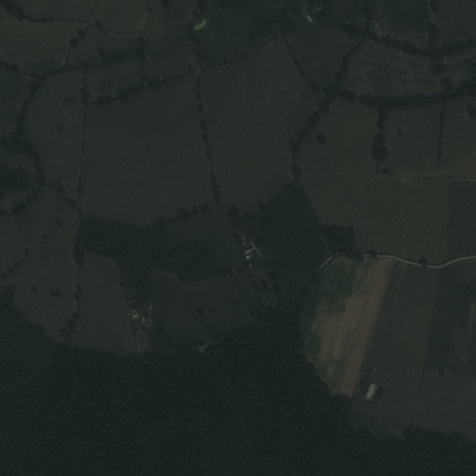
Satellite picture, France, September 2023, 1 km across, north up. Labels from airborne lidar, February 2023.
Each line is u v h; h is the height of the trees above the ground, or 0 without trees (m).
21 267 0
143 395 21
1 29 0
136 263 19
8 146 9
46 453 21
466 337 0
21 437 19
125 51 0
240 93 0
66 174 0
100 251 21
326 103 14
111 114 0
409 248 0
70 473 20
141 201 0
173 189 0
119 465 23
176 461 22
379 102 16
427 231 0
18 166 0
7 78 0
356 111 0
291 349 18
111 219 0
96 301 0
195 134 0
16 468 20
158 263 20
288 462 23
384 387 0
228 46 0
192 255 19
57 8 0
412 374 0
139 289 7
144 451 20
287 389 26
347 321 0
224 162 0
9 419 15
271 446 25
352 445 20
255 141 0
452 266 0
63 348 18
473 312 0
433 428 0
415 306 0
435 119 0
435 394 0
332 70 0
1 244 0
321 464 24
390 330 0
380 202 0
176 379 22
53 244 0
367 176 0
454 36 0
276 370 25
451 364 0
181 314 0
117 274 0
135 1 0
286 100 0
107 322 0
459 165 0
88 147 0
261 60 0
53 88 0
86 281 0
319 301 0
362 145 0
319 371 0
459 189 0
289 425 24
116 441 23
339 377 0
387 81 0
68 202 10
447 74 0
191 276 21
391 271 0
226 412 21
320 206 0
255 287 8
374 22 0
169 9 0
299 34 0
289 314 16
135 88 8
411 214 0
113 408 24
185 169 0
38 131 0
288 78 0
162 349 16
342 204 0
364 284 0
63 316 0
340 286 0
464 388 0
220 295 0
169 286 0
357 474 21
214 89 0
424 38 0
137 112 0
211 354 20
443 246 0
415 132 0
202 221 0
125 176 0
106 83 0
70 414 21
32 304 0
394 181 0
